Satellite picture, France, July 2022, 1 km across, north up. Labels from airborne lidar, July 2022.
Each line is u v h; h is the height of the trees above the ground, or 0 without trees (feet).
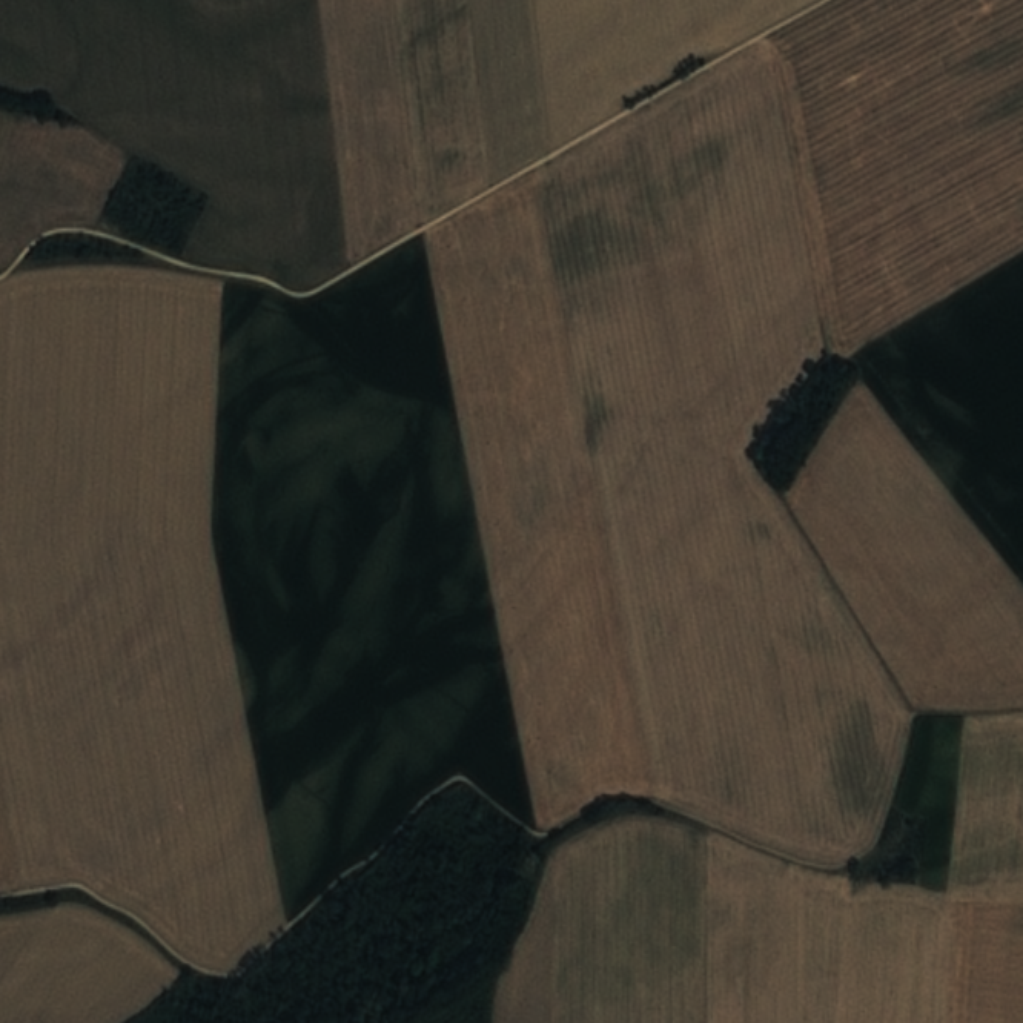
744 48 0
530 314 0
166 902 0
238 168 0
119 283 0
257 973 55
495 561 0
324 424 0
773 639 0
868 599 0
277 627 0
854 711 0
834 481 0
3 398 0
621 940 0
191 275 0
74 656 0
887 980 0
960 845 0
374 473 0
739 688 0
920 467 0
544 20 0
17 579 0
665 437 0
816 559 0
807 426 105
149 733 0
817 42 0
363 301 0
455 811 18
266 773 0
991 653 0
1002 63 0
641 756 0
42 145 0
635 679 0
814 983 0
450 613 0
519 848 42
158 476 0
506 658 0
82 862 0
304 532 0
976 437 0
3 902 38
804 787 0
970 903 0
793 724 0
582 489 0
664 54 0
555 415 0
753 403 0
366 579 0
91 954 0
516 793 0
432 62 0
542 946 0
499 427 0
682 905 0
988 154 0
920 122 0
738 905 0
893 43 0
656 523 0
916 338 0
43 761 0
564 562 0
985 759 0
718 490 0
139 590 0
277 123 0
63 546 0
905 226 0
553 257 0
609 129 0
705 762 0
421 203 0
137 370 0
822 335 0
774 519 0
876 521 0
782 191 0
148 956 0
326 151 0
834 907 0
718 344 0
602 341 0
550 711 0
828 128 0
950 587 0
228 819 0
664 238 0
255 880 0
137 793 0
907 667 0
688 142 0
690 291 0
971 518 0
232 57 0
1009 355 0
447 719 0
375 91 0
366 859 0
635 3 0
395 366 0
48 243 34
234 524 0
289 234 0
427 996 108
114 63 0
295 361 0
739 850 0
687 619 0
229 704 0
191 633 0
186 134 0
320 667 0
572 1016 0
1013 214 0
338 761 0
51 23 0
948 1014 0
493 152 0
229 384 0
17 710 0
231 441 0
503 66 0
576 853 0
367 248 0
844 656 0
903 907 0
